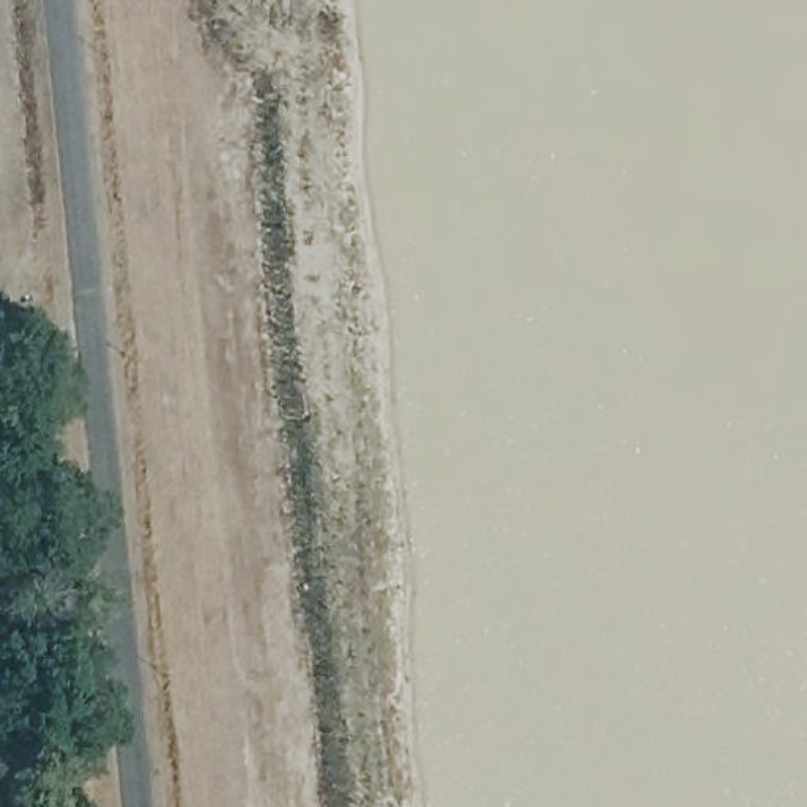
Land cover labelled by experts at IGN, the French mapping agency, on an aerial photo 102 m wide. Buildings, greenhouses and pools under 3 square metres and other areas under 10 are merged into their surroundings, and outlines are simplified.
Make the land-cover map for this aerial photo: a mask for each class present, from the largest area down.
<instances>
[{"label":"water","instance_id":"1","mask_svg":"<svg viewBox=\"0 0 807 807\"><path fill-rule=\"evenodd\" d=\"M363 66V161L372 205V236L385 274V299L391 322L388 334L397 340L391 359L407 375L410 400V438L407 451L400 454V467L416 479L413 511L419 526V549H426V583L413 589V596L422 599V618L410 624V634L422 643V687H416L413 694L426 700L429 734L422 744H416V760L422 775V794L432 801V807H807V0H353Z\"/></svg>","mask_w":807,"mask_h":807},{"label":"herbaceous vegetation","instance_id":"2","mask_svg":"<svg viewBox=\"0 0 807 807\"><path fill-rule=\"evenodd\" d=\"M19 98L25 110V158L32 173V262L22 271V277H9L0 287V293L9 303L41 309L57 325V331L66 334V340H76L44 0H16ZM189 0H76V19L82 35L79 54L88 117L95 221L101 249V287L107 315L110 404L120 454V495L126 533L136 653L142 675V728L151 760L154 807H318V725L312 694V646L303 634V605L296 596L293 571V511L287 498L296 451L287 444L281 432L284 422L277 397H265V388L277 381V372L262 369V356H274L265 303V148L258 136V95L252 85L265 69L271 73V82L281 88L284 98V195L287 208L293 211L296 249L290 258L293 331L303 366V407L306 416H312L309 438L315 441L312 451L318 460L312 470V564L315 574L325 577V605L337 640L334 665L340 681V709L347 722V766L353 779L350 807H400L413 791V782L400 775L397 766V709L388 697L394 687V643L388 634L391 599L388 589H372L375 580L388 577V492L381 429L375 422L378 397L375 388H369L359 375L363 337L378 334V322L375 315L359 318L356 309L359 290L366 284V258L359 249L356 227V186L347 183L350 104L344 85L334 79V73L344 69V38L334 0H221L218 19H224L240 35L243 54L249 60L243 66H233L224 60L221 66L208 69L199 22L186 16ZM63 444V460L76 463L85 473V422L69 419L57 435ZM120 753L117 747H110L104 757V775L85 782V794L95 807H120Z\"/></svg>","mask_w":807,"mask_h":807},{"label":"deciduous trees","instance_id":"3","mask_svg":"<svg viewBox=\"0 0 807 807\"><path fill-rule=\"evenodd\" d=\"M95 372L76 340H66V334L57 331V325L41 309L9 303L0 293V567L6 574H35V580L50 583L73 580L76 589V605L66 615L73 627L54 634V643H47L41 634H9L0 643V725L6 731H22L25 738L38 734L41 741H47L54 747L50 757L57 772L76 757H104L110 747H117L120 753L136 747V734L142 728V719H136L126 706L129 687L120 668L117 646V621L123 612L113 602L117 593L88 577L91 564L101 555L107 558L113 539L126 533L120 495H107L104 482H95L85 473L76 463L63 460V444L57 435L69 419L85 422L95 416Z\"/></svg>","mask_w":807,"mask_h":807},{"label":"brushwood","instance_id":"4","mask_svg":"<svg viewBox=\"0 0 807 807\"><path fill-rule=\"evenodd\" d=\"M221 0H189L186 16L199 22L208 69L221 66L224 60L233 66H243L249 60L243 54L240 35L224 19H218ZM252 85L258 95V136L265 148V303L274 356H262V369L277 372V381L265 388V397H277L284 422L281 432L287 444L296 451L287 498L293 511V571L296 596L303 605V634L312 646V694L318 725V807H350L353 779L347 766V722L340 709V681L334 665L337 640L325 605V577L315 574L312 564V470L318 460L312 451L315 441L309 438L312 416H306L303 407V366L293 331L290 258L296 249L293 211L287 208L284 195V98L281 88L271 82V73L265 69Z\"/></svg>","mask_w":807,"mask_h":807},{"label":"impervious surface","instance_id":"5","mask_svg":"<svg viewBox=\"0 0 807 807\"><path fill-rule=\"evenodd\" d=\"M76 340L95 372V416L85 422V473L95 482H104L107 495H120V454L110 404L107 315L101 287V249L95 221L88 117L79 54L82 35L76 19V0H44ZM88 577L117 593L113 602L123 612L117 621V646L120 668L129 687L126 706L136 719H142V675L136 653L126 533L113 539L107 558L101 555L91 564ZM120 807H154L151 760L142 728L136 734V747L120 753Z\"/></svg>","mask_w":807,"mask_h":807},{"label":"pervious surface","instance_id":"6","mask_svg":"<svg viewBox=\"0 0 807 807\"><path fill-rule=\"evenodd\" d=\"M344 38V69L334 73V79L344 85L350 104L347 183L356 186V227L359 249L366 258V284L359 290L356 309L359 318L375 315L378 322V334L363 337L359 375L369 388H375L378 397L375 422L381 429L388 492V577L375 580L372 589H388L391 599L388 634L394 643V687L388 697L397 709V766L400 775L413 782V791L400 807H432V801L422 794V775L416 760V744H422L429 734L426 700L413 694L416 687H422V643L410 634V624L422 618V599L413 596V589L426 583V549H419V526L413 511L416 479L400 467V454L407 451L410 438V400L407 375L391 359L397 340L388 334L391 322L385 299V274L372 236V205L363 161V66L353 0H334Z\"/></svg>","mask_w":807,"mask_h":807},{"label":"coniferous trees","instance_id":"7","mask_svg":"<svg viewBox=\"0 0 807 807\"><path fill-rule=\"evenodd\" d=\"M76 605V589L73 580L50 583L35 580V574H6L0 567V643L9 634H41L47 643H54V634L73 627L66 615ZM54 747L47 741H41L38 734L25 738L22 731H6L0 725V807H95L85 794V782L104 775V757H76L57 772L50 757Z\"/></svg>","mask_w":807,"mask_h":807},{"label":"plowed land","instance_id":"8","mask_svg":"<svg viewBox=\"0 0 807 807\"><path fill-rule=\"evenodd\" d=\"M16 0H0V287L9 277H22V271L32 262V173L25 158V110L19 98Z\"/></svg>","mask_w":807,"mask_h":807}]
</instances>
